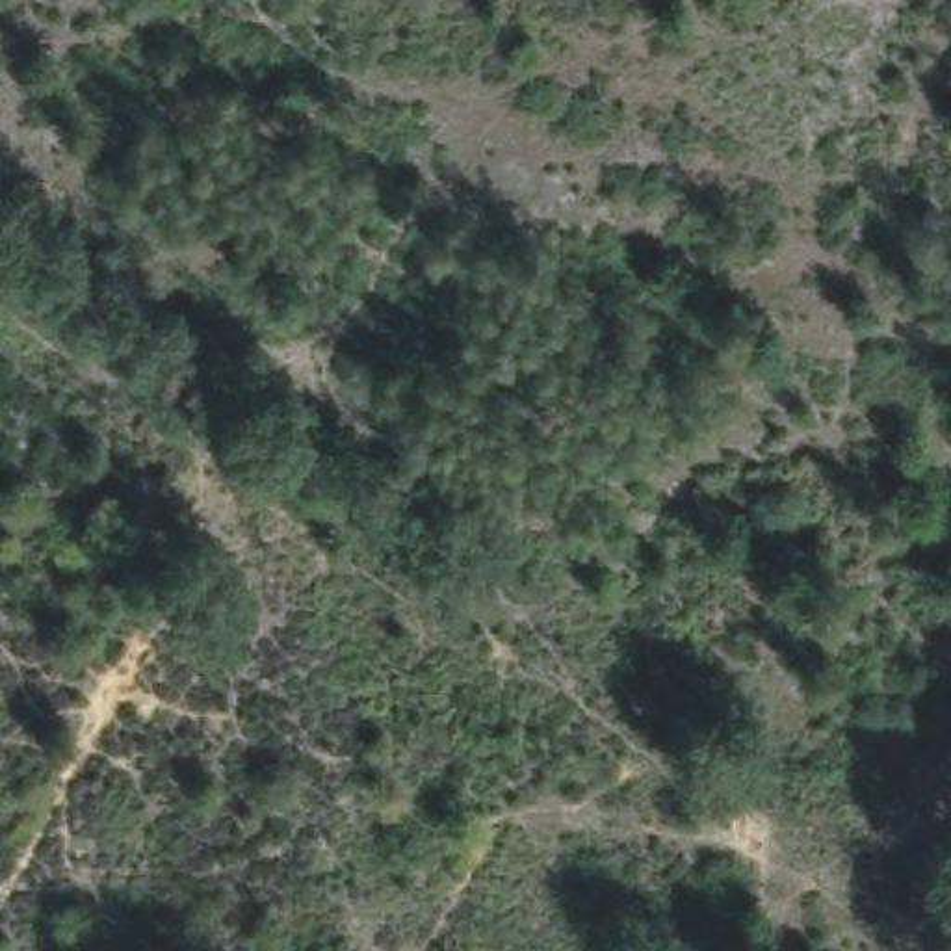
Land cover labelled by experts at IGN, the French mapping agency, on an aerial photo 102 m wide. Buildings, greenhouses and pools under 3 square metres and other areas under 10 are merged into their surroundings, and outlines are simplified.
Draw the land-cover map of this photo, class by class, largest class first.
<instances>
[{"label":"brushwood","instance_id":"1","mask_svg":"<svg viewBox=\"0 0 951 951\"><path fill-rule=\"evenodd\" d=\"M806 4L817 0H0V48L7 56L11 78L22 89V126H52L63 149L85 167L100 152L104 126L111 134H126L149 115L156 100L212 97L219 108L227 100L241 104L253 119H271L282 130L319 119L331 130L338 175L364 178L375 189V197L364 201L353 215L345 245L338 249V264L327 275H316V293H301V301L286 308V316L279 319L275 312H267L264 301H256L253 286H245L238 271H230L227 260L204 241L163 245L149 256V249L130 230H123L111 212L115 182L93 178L85 171V182L67 201L74 223L89 230L85 256L108 253L111 271L134 267L141 260L156 297H167L171 290L193 293L197 301L186 308L182 327L193 338V349L204 360L230 364L241 357L249 360L256 349L267 345L312 342L319 349H331L345 323L357 316L364 290L397 301L401 260L394 256L412 241L420 212L427 204H442L446 197H453V186L464 178L457 163L446 160V145L431 141V126L423 123V100L360 97L345 85L349 71L383 67L390 71V78L409 74L423 82L468 74L487 85H498L513 100V111L539 115L550 126V134L568 137L572 145H598L613 137L624 123V100L609 89V78L602 71H587V82L572 89L539 71L535 48H550L561 56L568 52L565 37H554L557 22H580L609 37L624 33L628 19L646 15L650 52L680 56L695 45V37L706 33L713 19L732 33H762L776 19H799ZM884 59L877 67L873 89L880 100H906L918 89L929 100V111L918 119L914 156L906 163L925 182V201L932 208H951V0H903L895 7V22L880 30ZM639 126L654 134V141L661 145L658 163H609L598 171L602 201H676V212L654 234L661 245H680L684 264L724 271L732 282L743 267L758 264L769 249H776V223L784 219V201L776 197L773 182L762 178H754L747 189H724L710 175L684 171V160L695 145L710 149L713 156L747 152L743 141H732V134L721 126H695L687 104L676 100L672 108H639ZM30 171L22 167L19 152L0 137V186L26 182ZM869 197H854L847 182L821 186L814 219L817 245L847 256L862 238V215ZM925 245H940L944 260L951 264V219H925L918 249L910 253V260H918ZM204 442L197 431L186 427L182 416H175V405L134 397L115 371L104 368V342L85 334L71 342L52 338L45 327L26 319L22 297L0 290V880L7 877L22 847L15 832L33 817L26 791L48 788V780L59 773L74 747V732L63 721V713L71 706H85V695L93 691L97 676L123 658L130 635H141L149 643L137 665V684L141 691L156 695L152 717H141L130 702L115 706L93 754L85 758V769L67 784V806H52L48 814L45 836L26 869V888L11 892L7 906H0V951H580L609 925V918L646 921L650 910L672 925L676 951H750V921L758 914H765L776 925L799 929L810 951H918L914 899L921 895V858L929 836L947 821L951 806V345H940L932 353L929 375L910 368L903 353L862 357L854 349V360H832L795 353L788 345V375L780 379V386L743 379L739 401L695 442L672 449L665 457V468L654 464L646 453H635L639 479H646L661 498L676 494L684 479L698 483L706 494H724L736 483H791L788 498L769 513L765 531L754 535L750 546L743 539H732L717 557L702 565L661 568L654 576L639 572V554L632 561H613L609 568L576 557L568 568L572 576L557 583V591H550L542 602H516L505 594V587H494L498 609L509 620L472 624L464 632L427 624L416 617V602L427 591H416L401 572L383 565L327 568V554L319 550V542L282 505L249 509L234 502V520L219 524L212 535L223 550L234 554L249 594H256V628L249 639V665L241 672H227L212 687L197 669L182 665L175 658V643L182 635V624H167L152 609V602H141L137 613L111 609L104 628L82 650H37V635L26 613L37 583L45 580V565H52L78 535H85L89 516L100 502L111 498L119 505L126 498L119 483L108 476L111 453H130L134 464H163L175 479L189 468V453ZM695 698H739L747 702L758 728L762 773L769 776L773 795L758 814L736 817L732 825L676 828L687 814V773L672 754L680 743V724L687 721Z\"/></svg>","mask_w":951,"mask_h":951},{"label":"coniferous trees","instance_id":"2","mask_svg":"<svg viewBox=\"0 0 951 951\"><path fill-rule=\"evenodd\" d=\"M85 171L93 178L115 182L111 212L123 230H130L149 249V256L163 245L204 241L227 260L230 271H238L245 286H253L256 301H264L267 312H275L279 319L286 316V308L301 301V293H316V275H327L338 264V249L345 245L353 215L364 201L375 197V189L364 178L338 175L331 130L319 119L282 130L271 119H253L241 104L227 100L219 108L212 97L156 100L149 115L126 134H111L104 126L100 152L85 167ZM854 197H869L862 215V238L847 256L836 271L814 267V275L817 293L828 305H836L843 323L851 327L854 349L862 357L903 353L910 368L929 375L932 353L940 345H951V264L944 260L940 245H925L918 260H910V253L918 249L925 219H951V208H932L925 201V182L906 163L884 167L869 160L847 182ZM89 230L74 223L67 201H48L41 178L30 171L26 182L0 186V290L22 297L26 319L45 327L52 338L71 342L85 334L104 342V368L115 371L134 397L175 405V416H182L186 427L197 431L204 442L215 476L234 494V502L249 509L282 505L319 542V550L327 554V568L383 565L401 572L416 591H427L416 602V617L427 624L464 632L472 624L509 620L498 609L494 587H505V594L516 602H542L550 591H557V583L572 576L568 568L576 557L609 568L613 561H632L639 554V572L654 576L661 568L702 565L717 557L732 539H743L750 546L754 535L765 531L769 513L788 498L791 483H736L724 494H706L698 483L684 479L676 494L661 498L646 479H639L635 453H646L654 464L665 468V457L672 449L695 442L739 401L743 379L780 386V379L788 375V345L776 338L769 312L732 282L724 271L684 264L680 245H661L654 234H628L617 227L580 230L550 219H516L513 201H505L494 186H476L464 178L453 186V197H446L442 204H427L420 212L412 241L394 256L401 260L397 301L364 290L357 316L345 323L331 349H319L312 342L267 345L256 349L249 360L241 357L230 364L204 360L193 349V338L182 327L186 308L197 301L193 293L171 290L167 297H156L141 260L134 267L111 271L108 253L85 256ZM108 476L119 483L126 498L119 505L111 498L100 502L89 516L85 535H78L52 565H45V580L37 583L26 613L37 635V650H82L104 628L111 609L137 613L141 602H152V609L167 624H182V635L175 643V658L182 665L197 669L212 687L227 672H241L249 665V639L256 628V594H249L234 554L223 550L212 535L201 528L193 502L175 487V479L163 464H134L130 453H111ZM687 773V814L676 828L732 825L736 817L758 814L773 795L769 776L762 773L758 728L747 702L739 698H695L687 721L680 724V743L672 754ZM918 951H951V806L947 821L929 836L921 858V895L914 899ZM580 951H676L672 925L650 910L646 921L609 918V925Z\"/></svg>","mask_w":951,"mask_h":951},{"label":"herbaceous vegetation","instance_id":"3","mask_svg":"<svg viewBox=\"0 0 951 951\"><path fill-rule=\"evenodd\" d=\"M903 0H817L806 4L799 19H776L762 33H732L713 19L706 33L695 37V45L680 56L650 52L646 15L628 19L624 33L609 37L580 22H557L554 37H565L568 52L561 56L550 48H535L539 71L572 89L587 82V71H602L609 78V89L624 100V123L613 137L598 145H572L568 137L550 134V126L539 115L513 111V100L498 85H487L468 74L423 82L409 74L390 78V71L383 67L349 71L345 85L360 97L423 100V123L431 126V141L446 145V160L457 163L464 178L476 186H494L505 201H513L516 219H550L580 230L617 227L628 234H654L676 212V201H602L598 171L609 163H658L661 145L654 141V134L639 126V108H672L676 100L687 104L695 126H721L732 134V141H743L747 152L713 156L710 149L695 145L684 160V171L710 175L724 189H747L754 178H762L773 182L776 197L784 201V219L776 223V249H769L758 264L743 267L732 282L769 312L776 338L788 345L795 353L832 360H854V349L851 327L843 323L836 305H828L817 293L814 275V267L836 271L847 256L817 245L814 219L821 186L847 182L869 160L884 167L906 163L914 156L918 119L929 111V100L918 89L906 100H880L873 89L877 67L884 59L880 30L895 22V7ZM22 89L11 78L7 56L0 48V137L19 152L22 167L30 171L41 178L48 201H67L85 182V167L63 149L52 126H22ZM175 487L193 502L201 528L212 535L219 524L234 520V494L215 476L204 442L189 453V468L175 479ZM149 643L141 635H130L123 658L97 676L93 691L85 695V706H71L63 713V721L74 732V747L59 773L48 780V788L26 791L33 817L15 832L22 847L7 877L0 880V906H7L11 892L26 888V869L45 836L48 814L52 806H67V784L85 769V758L93 754L115 706L130 702L141 717H152L156 695L141 691L137 684V665Z\"/></svg>","mask_w":951,"mask_h":951},{"label":"deciduous trees","instance_id":"4","mask_svg":"<svg viewBox=\"0 0 951 951\"><path fill-rule=\"evenodd\" d=\"M750 951H810L799 929L776 925L765 914H758L750 921Z\"/></svg>","mask_w":951,"mask_h":951}]
</instances>
